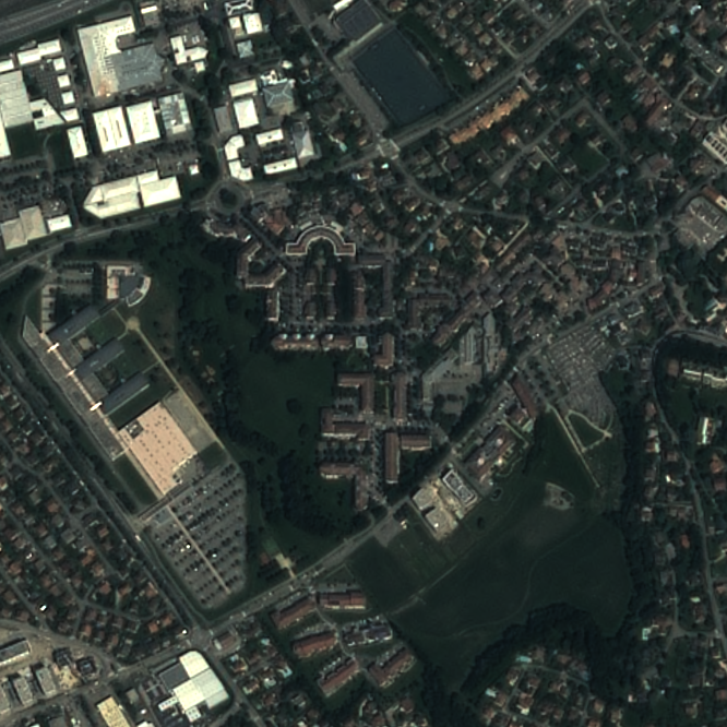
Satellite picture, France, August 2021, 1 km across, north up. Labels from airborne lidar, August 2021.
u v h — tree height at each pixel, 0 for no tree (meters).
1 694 0
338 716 10
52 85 0
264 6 18
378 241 6
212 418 12
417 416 9
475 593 0
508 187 6
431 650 0
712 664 7
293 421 0
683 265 24
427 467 17
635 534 14
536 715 7
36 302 0
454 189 15
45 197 7
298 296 8
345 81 0
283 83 0
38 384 9
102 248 7
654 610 10
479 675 12
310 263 10
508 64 8
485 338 0
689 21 12
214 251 16
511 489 0
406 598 0
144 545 0
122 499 12
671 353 15
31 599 7
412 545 0
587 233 8
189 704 0
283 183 0
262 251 10
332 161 10
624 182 14
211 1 0
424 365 11
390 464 0
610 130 0
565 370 0
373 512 12
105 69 0
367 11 0
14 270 0
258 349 7
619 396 15
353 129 7
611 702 8
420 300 0
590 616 14
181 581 0
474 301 0
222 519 9
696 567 12
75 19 0
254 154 0
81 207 10
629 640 14
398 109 0
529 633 13
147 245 13
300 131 0
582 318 16
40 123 0
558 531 0
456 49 8
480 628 0
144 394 0
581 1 0
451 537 0
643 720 8
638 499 8
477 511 0
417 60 0
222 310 0
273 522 16
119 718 0
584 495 0
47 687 0
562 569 0
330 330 9
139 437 0
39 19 0
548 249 14
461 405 0
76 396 0
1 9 0
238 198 11
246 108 0
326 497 0
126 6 0
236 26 0
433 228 0
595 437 0
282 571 7
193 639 0
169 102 0
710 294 12
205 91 8
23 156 0
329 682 0
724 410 15
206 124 11
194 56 0
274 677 6
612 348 0
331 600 0
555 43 8
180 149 8
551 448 0
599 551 0
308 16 0
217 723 0
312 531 21
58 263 6
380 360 0
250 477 9
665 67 8
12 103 0
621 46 0
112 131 0
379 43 0
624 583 0
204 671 0
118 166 10
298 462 12
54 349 0
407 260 10
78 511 12
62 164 0
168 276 0
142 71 0
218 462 0
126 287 0
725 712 0
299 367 0
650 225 14
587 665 7
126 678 0
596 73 6
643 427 17
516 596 0
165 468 0
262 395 0
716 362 15
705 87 6
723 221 0
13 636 0
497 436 0
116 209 0
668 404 8
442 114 10
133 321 0
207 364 0
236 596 0
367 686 9
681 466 8
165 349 8
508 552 0
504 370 6
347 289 15
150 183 0
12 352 0
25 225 0
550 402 0
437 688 19
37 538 6
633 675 7
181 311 10
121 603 0
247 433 29
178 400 0
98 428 0
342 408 9
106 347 0
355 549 0
